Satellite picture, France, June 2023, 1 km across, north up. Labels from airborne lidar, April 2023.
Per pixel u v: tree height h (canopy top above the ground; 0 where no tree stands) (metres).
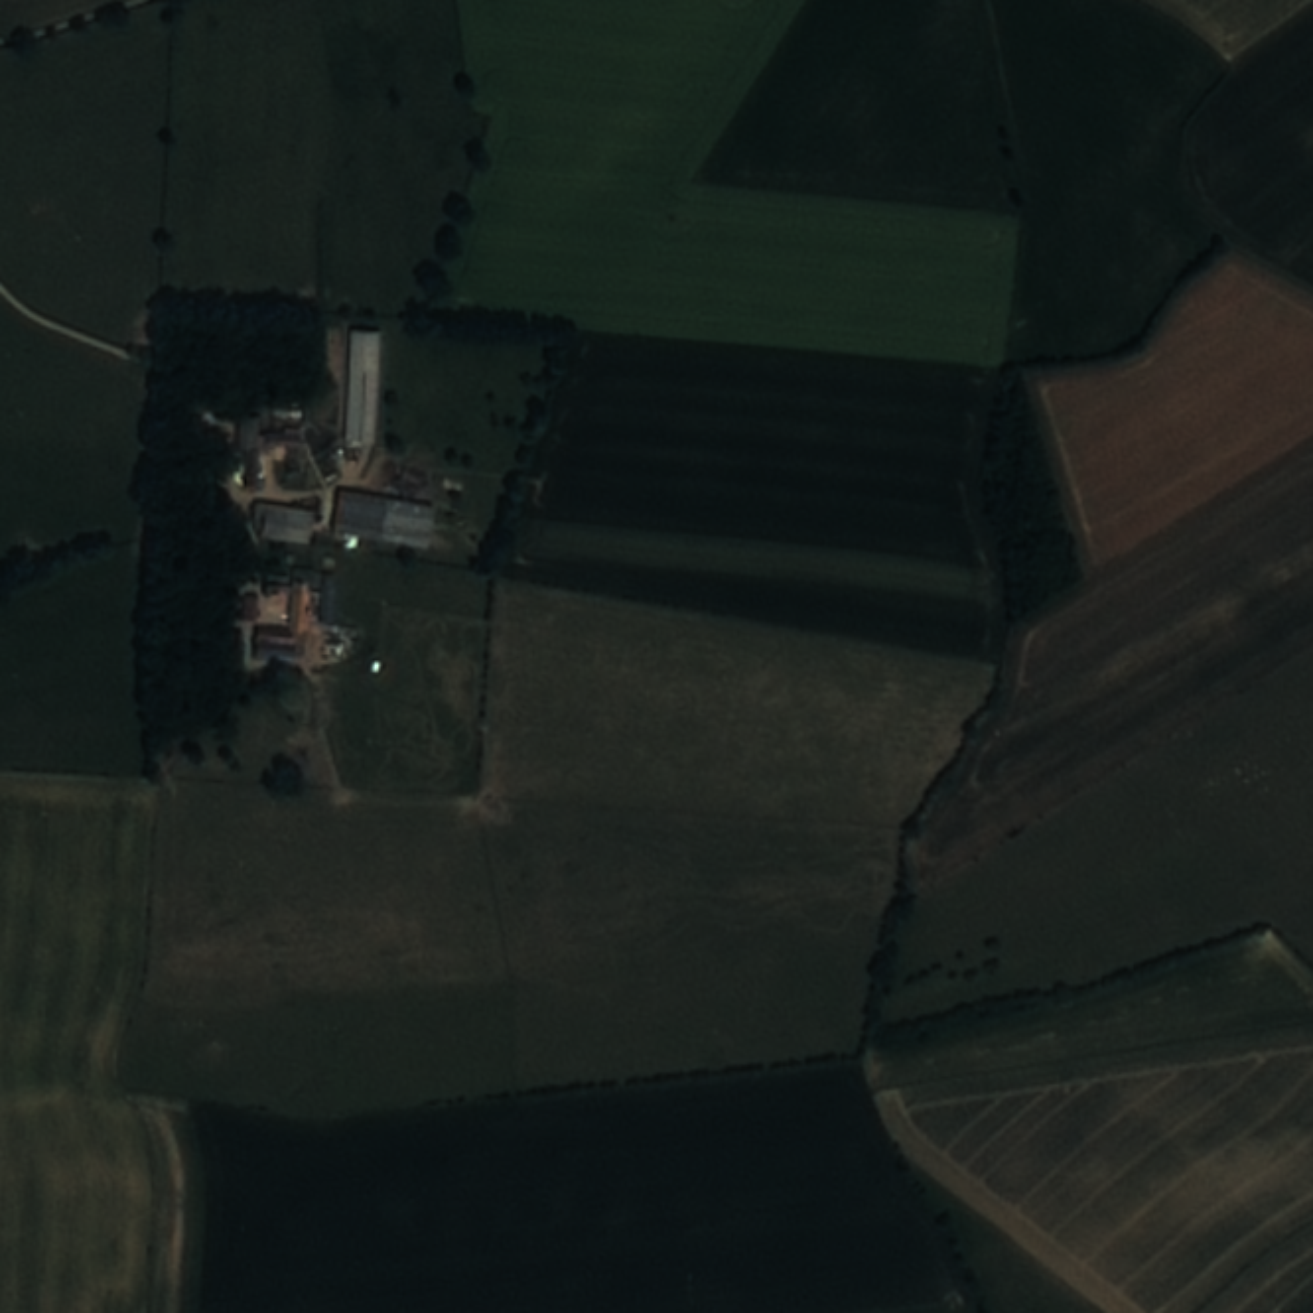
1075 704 0
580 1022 0
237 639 17
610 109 0
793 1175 0
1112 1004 0
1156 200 0
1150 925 0
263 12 0
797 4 0
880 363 0
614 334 0
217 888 0
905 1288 0
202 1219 0
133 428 0
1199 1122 0
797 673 0
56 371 0
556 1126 0
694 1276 0
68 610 0
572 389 0
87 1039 0
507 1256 0
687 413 0
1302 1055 0
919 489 0
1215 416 0
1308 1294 0
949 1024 8
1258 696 0
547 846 0
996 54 0
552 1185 0
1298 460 0
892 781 0
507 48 0
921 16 0
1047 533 11
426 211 0
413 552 10
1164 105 0
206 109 0
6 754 0
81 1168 0
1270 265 0
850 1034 0
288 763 15
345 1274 0
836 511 0
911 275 0
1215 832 0
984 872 0
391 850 0
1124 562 0
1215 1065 0
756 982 0
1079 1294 0
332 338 0
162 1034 0
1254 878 0
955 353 0
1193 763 0
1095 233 0
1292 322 0
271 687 11
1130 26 0
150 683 21
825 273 0
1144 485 0
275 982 0
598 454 0
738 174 0
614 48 0
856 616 0
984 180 0
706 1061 0
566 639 0
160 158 0
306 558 0
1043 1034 0
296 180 0
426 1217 0
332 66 0
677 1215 0
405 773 0
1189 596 0
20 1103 0
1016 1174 0
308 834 0
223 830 0
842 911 0
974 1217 0
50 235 0
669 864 0
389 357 0
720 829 0
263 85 0
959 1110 0
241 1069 0
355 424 0
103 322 0
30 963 0
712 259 0
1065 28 0
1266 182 0
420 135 0
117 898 0
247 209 0
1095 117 0
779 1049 0
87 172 0
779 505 0
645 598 0
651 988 0
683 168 0
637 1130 0
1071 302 0
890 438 0
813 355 0
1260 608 0
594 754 0
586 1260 0
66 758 0
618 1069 0
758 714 0
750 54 0
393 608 0
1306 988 0
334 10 0
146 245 0
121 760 0
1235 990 0
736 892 0
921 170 0
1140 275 0
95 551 17
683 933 0
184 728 19
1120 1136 0
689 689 0
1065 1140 0
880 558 0
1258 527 0
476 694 0
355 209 0
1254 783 0
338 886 0
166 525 25
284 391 20
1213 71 0
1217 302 0
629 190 0
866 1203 0
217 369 27
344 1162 0
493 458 0
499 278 0
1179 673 0
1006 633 0
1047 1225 0
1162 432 0
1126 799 0
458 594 0
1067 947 0
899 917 8
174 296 18
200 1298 0
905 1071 0
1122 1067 0
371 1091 0
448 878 0
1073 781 0
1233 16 0
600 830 0
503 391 0
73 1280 0
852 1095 0
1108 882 0
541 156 0
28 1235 0
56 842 0
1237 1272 0
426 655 0
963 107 0
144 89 0
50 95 0
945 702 0
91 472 0
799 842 0
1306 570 0
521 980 0
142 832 0
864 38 0
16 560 17
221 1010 0
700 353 0
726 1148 0
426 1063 0
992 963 6
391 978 0
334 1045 0
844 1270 0
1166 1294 0
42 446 0
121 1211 0
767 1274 0
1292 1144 0
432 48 0
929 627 0
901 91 0
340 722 0
